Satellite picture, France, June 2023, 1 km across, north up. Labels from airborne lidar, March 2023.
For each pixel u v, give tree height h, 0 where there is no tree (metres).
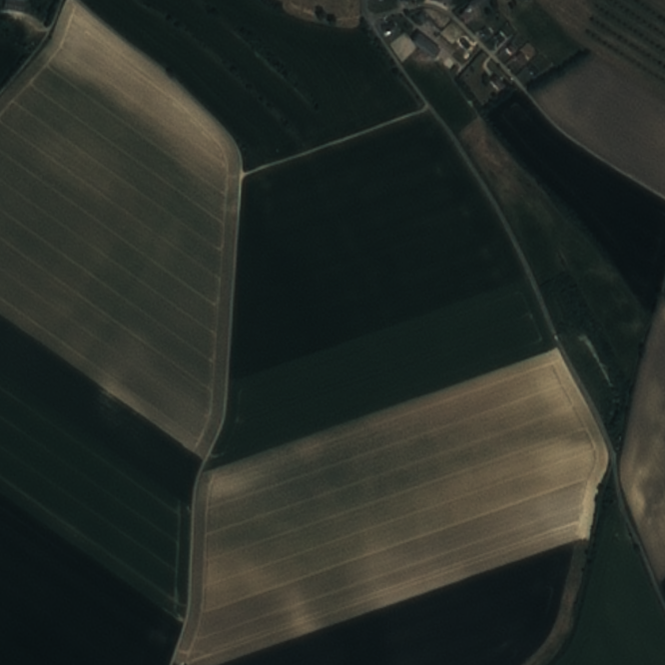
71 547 0
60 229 0
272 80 0
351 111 0
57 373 0
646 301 0
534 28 0
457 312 0
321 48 0
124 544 0
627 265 0
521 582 0
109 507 0
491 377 0
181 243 0
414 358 0
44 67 0
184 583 0
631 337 0
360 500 0
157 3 0
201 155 0
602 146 0
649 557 0
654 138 0
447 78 0
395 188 0
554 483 0
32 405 0
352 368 0
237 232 0
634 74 0
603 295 0
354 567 0
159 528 0
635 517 0
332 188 0
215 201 0
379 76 0
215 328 0
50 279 0
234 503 0
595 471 0
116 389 0
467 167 0
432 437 0
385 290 0
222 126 0
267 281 0
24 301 0
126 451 0
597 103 0
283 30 0
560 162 0
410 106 0
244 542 0
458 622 0
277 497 0
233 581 0
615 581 0
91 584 0
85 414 0
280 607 0
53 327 0
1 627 0
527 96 0
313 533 0
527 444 0
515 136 0
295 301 0
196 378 0
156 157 0
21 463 0
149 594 0
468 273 0
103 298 0
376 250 0
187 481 0
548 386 0
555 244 0
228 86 0
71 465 0
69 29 0
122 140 0
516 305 0
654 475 0
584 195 0
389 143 0
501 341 0
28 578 0
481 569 0
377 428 0
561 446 0
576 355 0
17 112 0
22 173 0
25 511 0
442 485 0
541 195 0
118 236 0
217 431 0
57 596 0
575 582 0
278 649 0
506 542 0
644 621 0
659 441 0
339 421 0
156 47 0
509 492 0
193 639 0
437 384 0
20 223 0
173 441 0
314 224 0
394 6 0
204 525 0
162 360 0
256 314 0
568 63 9
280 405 0
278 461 0
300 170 0
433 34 0
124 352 0
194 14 0
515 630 0
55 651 0
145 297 0
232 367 0
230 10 0
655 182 0
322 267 0
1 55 0
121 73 0
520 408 0
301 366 0
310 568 0
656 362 0
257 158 0
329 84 0
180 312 0
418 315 0
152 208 0
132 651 0
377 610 0
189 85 0
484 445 0
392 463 0
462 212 0
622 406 6
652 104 0
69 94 0
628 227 0
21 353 0
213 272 0
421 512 0
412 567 0
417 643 0
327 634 0
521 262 0
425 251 0
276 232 0
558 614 0
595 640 0
